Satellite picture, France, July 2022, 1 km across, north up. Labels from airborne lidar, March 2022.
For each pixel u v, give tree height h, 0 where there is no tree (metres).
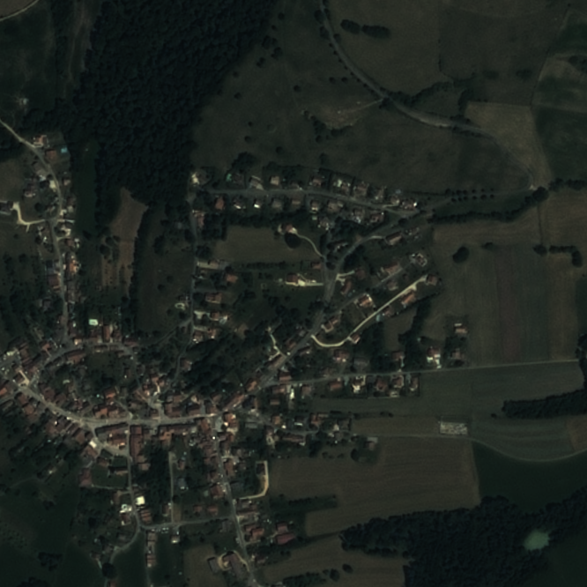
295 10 0
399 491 0
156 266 0
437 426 0
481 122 0
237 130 0
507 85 0
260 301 0
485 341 0
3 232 0
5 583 0
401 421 0
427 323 0
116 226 0
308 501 8
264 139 0
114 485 0
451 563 18
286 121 0
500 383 0
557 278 0
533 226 0
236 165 10
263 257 0
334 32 0
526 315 0
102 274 0
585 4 0
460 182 0
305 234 0
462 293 0
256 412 0
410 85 0
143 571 0
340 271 0
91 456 0
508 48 0
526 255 0
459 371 0
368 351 0
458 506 0
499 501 18
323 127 6
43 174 0
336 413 9
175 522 0
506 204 0
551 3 0
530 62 0
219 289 11
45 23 0
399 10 0
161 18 20
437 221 11
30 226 0
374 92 9
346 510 0
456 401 0
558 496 0
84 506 6
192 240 22
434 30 0
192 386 14
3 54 0
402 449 0
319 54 0
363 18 0
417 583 23
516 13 0
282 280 0
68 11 13
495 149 0
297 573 0
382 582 0
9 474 0
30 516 0
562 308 0
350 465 0
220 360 10
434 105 0
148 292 0
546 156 0
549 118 0
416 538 22
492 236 0
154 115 26
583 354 11
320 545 0
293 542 15
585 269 0
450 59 0
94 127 24
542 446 0
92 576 0
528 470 0
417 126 0
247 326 0
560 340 0
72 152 19
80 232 0
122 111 25
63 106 13
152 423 0
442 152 0
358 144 0
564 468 0
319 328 0
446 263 0
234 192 0
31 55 0
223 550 0
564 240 0
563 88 0
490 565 16
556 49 0
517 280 0
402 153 0
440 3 0
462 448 0
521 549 15
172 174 20
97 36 25
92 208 0
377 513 0
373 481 0
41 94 0
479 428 0
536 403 11
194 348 7
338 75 0
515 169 0
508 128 0
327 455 6
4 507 0
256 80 0
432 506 0
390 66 0
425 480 0
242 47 28
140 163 17
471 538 22
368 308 0
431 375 0
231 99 0
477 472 0
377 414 0
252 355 0
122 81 23
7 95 0
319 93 0
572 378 0
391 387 8
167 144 18
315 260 0
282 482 0
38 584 15
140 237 12
